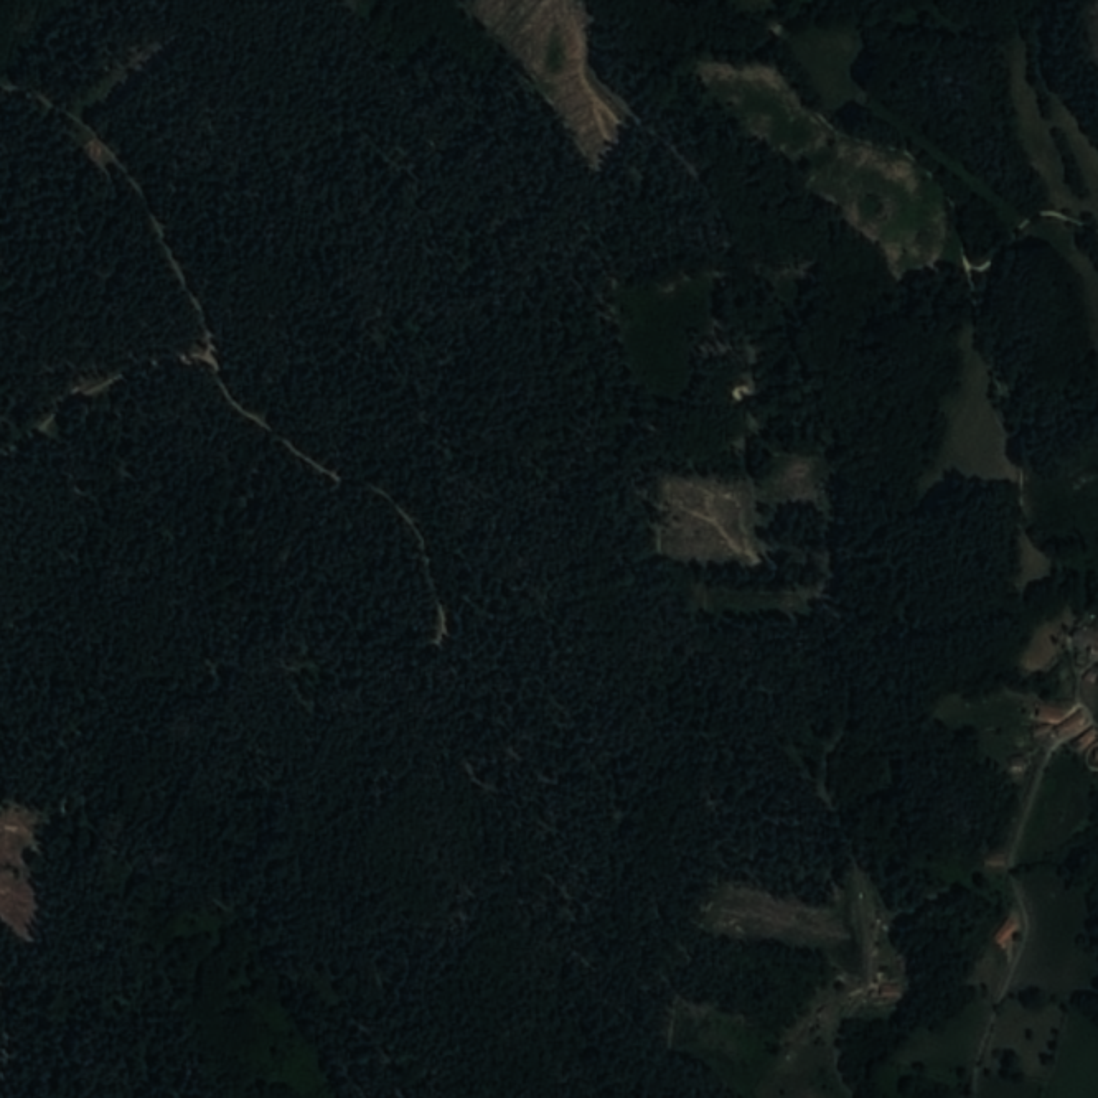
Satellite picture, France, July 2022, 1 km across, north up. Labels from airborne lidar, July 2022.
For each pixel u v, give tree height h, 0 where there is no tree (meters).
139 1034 27
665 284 31
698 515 0
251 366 18
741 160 31
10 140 26
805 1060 0
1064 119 0
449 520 19
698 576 25
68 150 26
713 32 17
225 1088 16
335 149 17
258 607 22
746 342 16
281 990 11
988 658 27
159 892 23
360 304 28
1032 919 0
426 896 14
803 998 14
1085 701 0
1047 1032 0
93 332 22
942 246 0
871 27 29
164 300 24
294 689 21
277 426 19
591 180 31
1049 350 22
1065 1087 0
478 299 28
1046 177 14
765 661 27
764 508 19
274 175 24
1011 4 20
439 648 14
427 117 29
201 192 20
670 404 24
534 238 26
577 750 22
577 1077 13
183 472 22
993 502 29
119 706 24
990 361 14
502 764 13
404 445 11
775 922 0
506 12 0
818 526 23
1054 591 18
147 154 21
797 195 30
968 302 18
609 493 42
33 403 22
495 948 14
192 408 6
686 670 16
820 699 25
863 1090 13
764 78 0
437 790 12
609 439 26
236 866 17
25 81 21
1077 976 0
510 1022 16
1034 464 27
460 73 26
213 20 24
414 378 24
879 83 28
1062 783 0
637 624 32
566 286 28
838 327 23
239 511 19
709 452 29
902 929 20
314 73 29
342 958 24
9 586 19
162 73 27
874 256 24
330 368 9
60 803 17
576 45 0
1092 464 0
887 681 36
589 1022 29
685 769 22
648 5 28
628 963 27
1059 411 25
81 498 25
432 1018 16
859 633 32
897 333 31
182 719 24
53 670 14
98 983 26
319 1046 21
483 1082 24
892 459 25
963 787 20
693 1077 36
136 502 18
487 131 7
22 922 0
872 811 11
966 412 0
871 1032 11
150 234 22
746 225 25
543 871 18
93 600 23
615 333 32
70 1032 9
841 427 20
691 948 21
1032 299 16
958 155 21
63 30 19
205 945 13
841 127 20
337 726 18
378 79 28
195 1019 16
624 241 21
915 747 24
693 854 27
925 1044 0
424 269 26
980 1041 0
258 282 20
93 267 24
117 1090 28
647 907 28
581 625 25
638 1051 40
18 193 20
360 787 16
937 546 36
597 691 25
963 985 20
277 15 24
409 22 7
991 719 0
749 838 34
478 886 15
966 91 34
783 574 16
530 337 23
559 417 16
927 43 25
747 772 32
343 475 16
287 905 27
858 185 0
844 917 0
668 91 33
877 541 32
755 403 23
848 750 11
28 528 24
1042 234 0
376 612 10
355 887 19
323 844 23
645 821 22
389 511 15
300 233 25
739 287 24
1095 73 37
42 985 30
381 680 23
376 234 26
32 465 25
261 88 26
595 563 30
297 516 18
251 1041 17
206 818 21
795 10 22
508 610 12
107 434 18
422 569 15
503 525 20
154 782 27
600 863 28
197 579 21
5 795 28
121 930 25
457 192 28
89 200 16
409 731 20
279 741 18
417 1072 25
